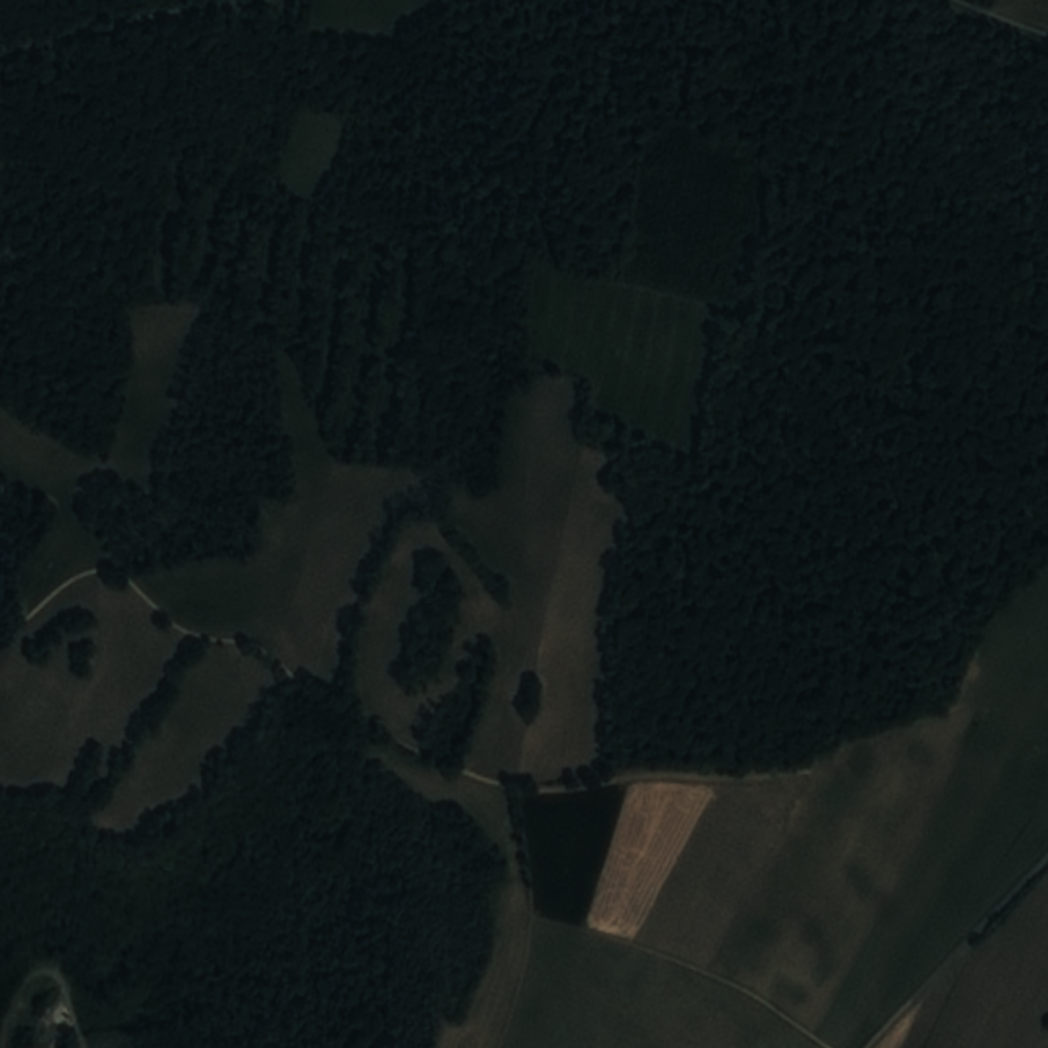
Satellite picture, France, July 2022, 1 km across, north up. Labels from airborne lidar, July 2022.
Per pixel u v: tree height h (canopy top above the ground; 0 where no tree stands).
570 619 0
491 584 22
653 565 28
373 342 18
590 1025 0
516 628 0
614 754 19
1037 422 25
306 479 0
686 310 0
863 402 24
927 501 27
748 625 26
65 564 0
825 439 27
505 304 24
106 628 0
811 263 27
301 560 0
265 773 23
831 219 24
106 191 22
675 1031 0
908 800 0
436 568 17
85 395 24
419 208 19
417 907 24
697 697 27
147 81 27
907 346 25
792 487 28
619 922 0
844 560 25
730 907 0
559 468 0
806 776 0
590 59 19
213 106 21
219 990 19
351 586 0
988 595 25
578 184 23
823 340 24
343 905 19
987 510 30
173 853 13
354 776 23
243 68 21
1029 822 0
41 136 22
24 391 24
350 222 19
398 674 20
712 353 19
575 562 0
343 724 18
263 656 18
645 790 0
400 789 17
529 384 18
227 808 22
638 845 0
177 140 20
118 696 0
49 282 25
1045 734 0
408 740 0
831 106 24
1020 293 26
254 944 16
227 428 24
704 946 0
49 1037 0
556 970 0
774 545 27
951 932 0
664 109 19
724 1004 0
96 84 26
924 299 13
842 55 27
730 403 24
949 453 28
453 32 21
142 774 0
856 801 0
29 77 24
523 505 0
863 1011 0
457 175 27
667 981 0
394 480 0
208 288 21
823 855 0
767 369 28
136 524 24
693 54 26
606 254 19
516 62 12
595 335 0
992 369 24
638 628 24
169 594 0
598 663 0
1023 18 0
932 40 27
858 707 24
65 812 20
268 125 20
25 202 26
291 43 19
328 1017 27
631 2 18
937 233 24
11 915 30
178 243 29
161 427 0
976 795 0
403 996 23
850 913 0
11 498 26
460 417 23
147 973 31
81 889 24
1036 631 0
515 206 24
